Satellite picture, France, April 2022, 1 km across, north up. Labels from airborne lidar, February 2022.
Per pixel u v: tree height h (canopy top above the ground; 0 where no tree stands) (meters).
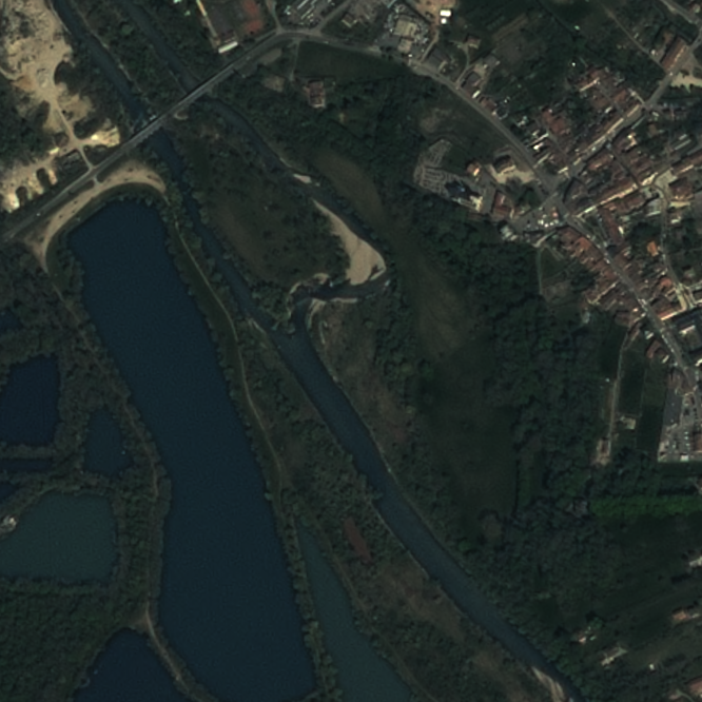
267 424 0
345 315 0
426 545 0
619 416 0
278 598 0
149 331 0
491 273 27
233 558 0
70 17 0
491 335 0
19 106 0
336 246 18
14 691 13
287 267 0
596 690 20
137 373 0
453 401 0
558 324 10
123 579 18
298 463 0
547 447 22
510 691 0
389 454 0
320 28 0
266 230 0
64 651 23
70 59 0
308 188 0
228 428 0
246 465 0
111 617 25
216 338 11
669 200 0
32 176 0
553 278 0
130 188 0
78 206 0
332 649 0
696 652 0
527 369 19
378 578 11
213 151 13
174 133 16
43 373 0
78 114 0
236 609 0
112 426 0
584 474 18
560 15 0
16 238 0
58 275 0
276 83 0
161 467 13
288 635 0
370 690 0
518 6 0
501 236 0
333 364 0
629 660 0
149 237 0
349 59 0
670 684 7
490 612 0
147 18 0
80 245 0
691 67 0
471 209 0
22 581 19
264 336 0
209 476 0
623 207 0
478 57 0
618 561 30
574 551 28
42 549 0
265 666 0
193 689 14
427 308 0
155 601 12
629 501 26
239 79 13
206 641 0
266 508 0
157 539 15
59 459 18
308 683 0
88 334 17
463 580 0
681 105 0
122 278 0
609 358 0
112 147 0
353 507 18
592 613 0
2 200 0
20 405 0
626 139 0
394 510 0
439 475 12
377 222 0
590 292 0
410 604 0
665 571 0
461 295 0
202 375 0
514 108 0
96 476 13
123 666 0
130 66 13
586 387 26
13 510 19
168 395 0
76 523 0
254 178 15
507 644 0
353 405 0
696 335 0
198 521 0
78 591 15
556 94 10
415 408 14
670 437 0
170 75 11
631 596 0
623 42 0
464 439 0
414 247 0
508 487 0
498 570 20
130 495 19
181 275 11
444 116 0
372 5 0
